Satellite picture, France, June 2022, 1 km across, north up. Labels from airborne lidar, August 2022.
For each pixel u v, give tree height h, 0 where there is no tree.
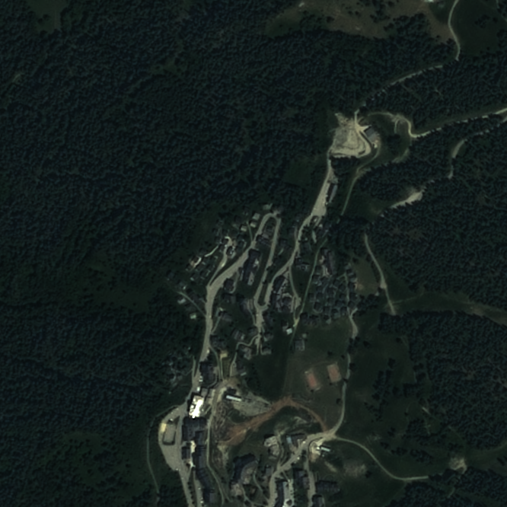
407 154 0
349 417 0
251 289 0
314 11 0
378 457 0
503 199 18
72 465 18
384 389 24
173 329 14
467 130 28
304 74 27
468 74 26
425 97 22
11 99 9
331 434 0
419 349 16
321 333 0
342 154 0
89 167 28
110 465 26
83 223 18
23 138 24
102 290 11
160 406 8
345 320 0
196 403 0
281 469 0
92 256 20
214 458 0
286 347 0
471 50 0
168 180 21
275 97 8
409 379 0
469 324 25
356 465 0
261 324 0
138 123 27
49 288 18
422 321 25
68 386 25
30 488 17
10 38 20
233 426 0
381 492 0
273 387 0
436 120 20
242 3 24
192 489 7
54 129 10
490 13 0
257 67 29
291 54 28
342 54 10
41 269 24
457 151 0
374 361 0
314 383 0
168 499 30
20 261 25
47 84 26
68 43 20
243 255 0
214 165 29
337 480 0
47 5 0
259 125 18
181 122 28
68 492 22
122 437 20
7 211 31
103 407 32
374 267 13
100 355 23
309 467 0
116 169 28
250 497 6
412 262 22
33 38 16
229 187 25
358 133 0
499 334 21
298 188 19
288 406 0
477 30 0
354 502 0
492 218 21
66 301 22
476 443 23
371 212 0
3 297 15
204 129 19
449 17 0
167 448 0
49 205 27
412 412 0
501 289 17
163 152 32
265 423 0
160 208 26
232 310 0
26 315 22
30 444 21
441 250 19
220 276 0
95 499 17
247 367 0
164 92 18
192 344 11
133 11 29
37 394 28
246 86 26
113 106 27
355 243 28
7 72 18
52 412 19
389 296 0
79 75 8
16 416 23
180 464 0
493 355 21
